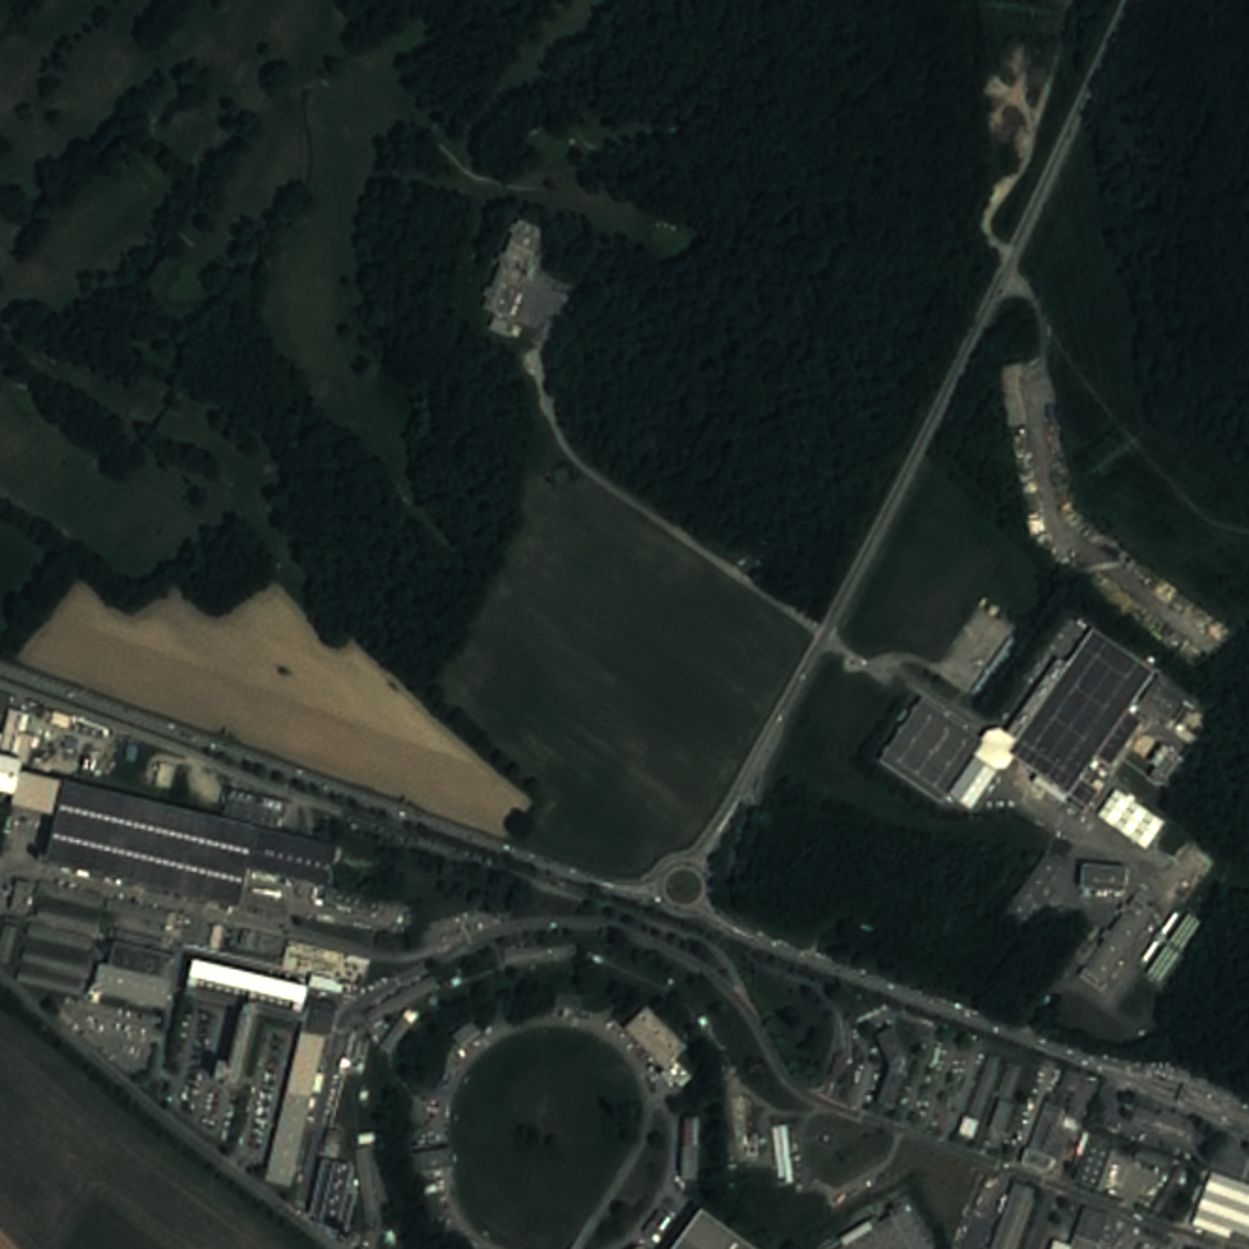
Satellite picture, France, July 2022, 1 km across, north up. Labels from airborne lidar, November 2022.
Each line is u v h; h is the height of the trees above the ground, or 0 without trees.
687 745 0
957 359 11
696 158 26
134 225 0
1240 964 21
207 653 0
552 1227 0
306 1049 0
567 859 0
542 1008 15
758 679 0
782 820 8
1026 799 0
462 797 0
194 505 6
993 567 0
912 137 24
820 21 23
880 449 20
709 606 0
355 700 0
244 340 23
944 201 21
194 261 0
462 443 6
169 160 21
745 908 11
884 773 8
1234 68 24
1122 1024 0
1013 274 0
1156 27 22
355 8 26
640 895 0
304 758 0
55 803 0
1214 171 26
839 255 20
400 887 12
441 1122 0
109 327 22
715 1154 15
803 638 0
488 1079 0
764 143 27
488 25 21
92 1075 7
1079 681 0
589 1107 0
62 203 17
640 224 0
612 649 0
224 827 0
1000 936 10
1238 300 23
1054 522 0
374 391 0
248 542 27
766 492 22
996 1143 0
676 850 0
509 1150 0
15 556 0
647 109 25
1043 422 0
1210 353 23
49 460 0
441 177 19
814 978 6
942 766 0
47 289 0
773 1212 0
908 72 23
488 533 15
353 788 0
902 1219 0
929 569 0
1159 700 0
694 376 22
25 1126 0
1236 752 23
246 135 25
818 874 10
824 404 22
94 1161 0
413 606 21
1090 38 17
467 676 0
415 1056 16
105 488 0
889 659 0
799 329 15
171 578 14
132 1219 0
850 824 7
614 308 24
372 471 26
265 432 17
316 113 0
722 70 29
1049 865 0
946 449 12
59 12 0
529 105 26
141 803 0
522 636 0
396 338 18
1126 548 8
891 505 0
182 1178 0
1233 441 13
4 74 0
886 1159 0
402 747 0
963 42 25
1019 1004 22
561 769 0
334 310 0
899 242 23
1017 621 8
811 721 0
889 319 22
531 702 0
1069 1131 0
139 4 0
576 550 0
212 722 0
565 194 0
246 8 0
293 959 0
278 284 0
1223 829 25
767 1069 12
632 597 0
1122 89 22
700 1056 15
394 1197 12
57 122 11
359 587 19
